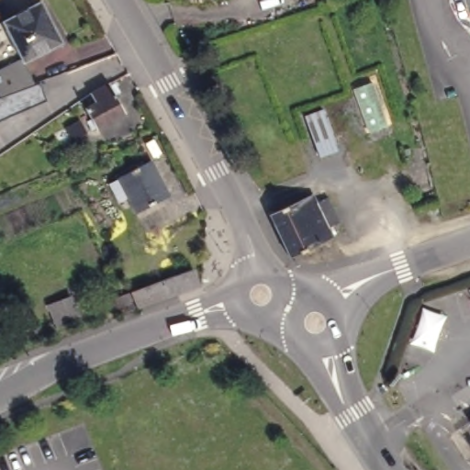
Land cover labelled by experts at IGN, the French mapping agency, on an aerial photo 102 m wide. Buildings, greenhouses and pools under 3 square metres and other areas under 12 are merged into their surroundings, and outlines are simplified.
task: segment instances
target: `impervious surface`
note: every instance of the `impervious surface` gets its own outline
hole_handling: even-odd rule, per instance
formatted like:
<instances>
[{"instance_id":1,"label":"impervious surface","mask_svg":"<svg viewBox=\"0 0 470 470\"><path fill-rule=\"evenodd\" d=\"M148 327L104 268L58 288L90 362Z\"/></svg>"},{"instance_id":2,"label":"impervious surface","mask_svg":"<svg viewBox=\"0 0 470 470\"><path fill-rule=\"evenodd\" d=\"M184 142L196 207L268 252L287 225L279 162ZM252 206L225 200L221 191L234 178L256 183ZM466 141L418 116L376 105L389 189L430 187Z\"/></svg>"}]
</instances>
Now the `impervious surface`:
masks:
<instances>
[{"instance_id":1,"label":"impervious surface","mask_svg":"<svg viewBox=\"0 0 470 470\"><path fill-rule=\"evenodd\" d=\"M433 95L437 101L459 101L464 127L470 141L470 0L409 0L419 33L420 46L428 64Z\"/></svg>"},{"instance_id":2,"label":"impervious surface","mask_svg":"<svg viewBox=\"0 0 470 470\"><path fill-rule=\"evenodd\" d=\"M409 433L415 430L430 439L442 461L448 466L448 470L470 470L470 290L461 290L450 296L424 303L424 310L444 316L439 340L433 351L415 347L411 343L406 349L402 364L397 367L398 375L395 376L395 380L391 384L386 384L382 373L376 376L373 389L365 389L356 360L356 340L367 312L375 307L376 301L380 301L387 292L391 292L398 285L402 286L402 292L406 297L415 294L422 286L433 285L455 275L470 272L470 196L448 202L441 209L431 211L428 224L419 222L413 209L420 209L437 200L437 193L428 158L428 138L419 121L409 119L411 132L417 141L417 149L408 147L406 151L408 169L400 173L395 165L391 165L387 173L378 180L364 180L356 174L354 163L351 162L351 151L347 149L352 140L356 140L365 132L367 123L364 112L358 103L358 95L354 94L347 101L343 101L345 114L349 116L351 123L341 134L334 134L338 152L329 156L319 156L316 147L318 136L312 125L307 127L307 173L303 176L294 176L285 185L266 185L264 191L253 182L250 174L237 173L229 169L222 152L217 151L217 138L207 123L206 114L200 110L195 99L185 86L185 75L184 62L180 53L176 53L169 46L163 31L173 24L180 31L185 26L200 26L229 18L235 18L242 26L255 24L257 20L264 18L272 22L316 9L327 0L224 0L215 9L191 9L171 4L149 4L145 0L88 0L94 9L95 17L105 31L103 39L83 48L73 48L68 42L64 50L53 51L31 64L31 70L37 73L33 75L33 83L39 86L42 97L48 99L48 103L0 125L0 156L17 147L18 143L28 140L33 132L55 121L62 112L68 112L70 108L81 103L75 94L95 75L105 75L106 83L112 86L112 83L117 83L121 77L129 75L129 79L134 79L138 84L138 90L143 94L147 105L151 106L152 114L162 127L163 134L171 141L174 152L178 154L185 173L195 187L193 195L185 195L165 162L162 149L156 141L147 143L149 152L151 162L160 174L163 185L167 187L169 198L162 202L152 202L147 209L136 213L141 226L147 231L147 239L151 241L145 246L145 252L151 255L169 252L169 228L174 222L180 222L185 217L193 218L196 209L206 209L206 220L206 248L209 257L204 261L202 277L202 285L196 290L185 292L180 299L176 296L165 297L162 301L147 303L141 308L140 316L136 318L117 321L112 314L106 316L105 323L97 329L88 327L79 330L79 323L75 318L62 318L61 327L55 329L55 345L46 347L31 341L17 360L9 360L0 367L0 426L17 426L20 426L20 422L31 413L46 408L59 411L64 408L64 402L68 402L70 395L59 387L62 382L79 378L86 373L88 367L94 369L99 365L114 362L121 356L127 356L130 352L145 351L143 364L152 375L162 373L163 367L171 362L171 354L167 349L182 340L180 334L196 332L198 338L215 338L224 341L229 351L235 352L253 367L263 376L264 384L270 389L286 408L292 409L297 419L307 426L312 437L323 448L323 452L338 466L338 470L408 470L406 463L413 455L406 448L406 442ZM424 195L409 206L400 193L417 184ZM268 224L266 213L292 206L297 200L308 196L310 191L318 195L329 195L340 217L338 224L334 226L338 229L338 235L330 235L329 241L308 246L307 250L303 250L299 255L290 255L279 246L274 231ZM244 343L242 336L246 332L259 340L268 341L270 345L285 352L286 356L301 369L301 373L307 376L308 384L314 387L319 400L325 404L325 415L319 415L305 400L294 395L294 391L264 364L250 349L250 345Z\"/></svg>"},{"instance_id":3,"label":"impervious surface","mask_svg":"<svg viewBox=\"0 0 470 470\"><path fill-rule=\"evenodd\" d=\"M55 17L46 0L39 0L46 17L50 18L51 26L57 31L55 42L66 42L68 31L62 29L59 18Z\"/></svg>"},{"instance_id":4,"label":"impervious surface","mask_svg":"<svg viewBox=\"0 0 470 470\"><path fill-rule=\"evenodd\" d=\"M9 455L0 457L0 470L103 470L90 441L88 428L81 424L55 435L48 435L39 442L31 442L17 448Z\"/></svg>"},{"instance_id":5,"label":"impervious surface","mask_svg":"<svg viewBox=\"0 0 470 470\"><path fill-rule=\"evenodd\" d=\"M2 22L11 15L22 13L37 0L0 0L0 70L20 61L13 53L15 42L2 28Z\"/></svg>"},{"instance_id":6,"label":"impervious surface","mask_svg":"<svg viewBox=\"0 0 470 470\"><path fill-rule=\"evenodd\" d=\"M84 106L83 114L79 117L88 136L97 140L101 136L101 130L94 121L94 110Z\"/></svg>"}]
</instances>

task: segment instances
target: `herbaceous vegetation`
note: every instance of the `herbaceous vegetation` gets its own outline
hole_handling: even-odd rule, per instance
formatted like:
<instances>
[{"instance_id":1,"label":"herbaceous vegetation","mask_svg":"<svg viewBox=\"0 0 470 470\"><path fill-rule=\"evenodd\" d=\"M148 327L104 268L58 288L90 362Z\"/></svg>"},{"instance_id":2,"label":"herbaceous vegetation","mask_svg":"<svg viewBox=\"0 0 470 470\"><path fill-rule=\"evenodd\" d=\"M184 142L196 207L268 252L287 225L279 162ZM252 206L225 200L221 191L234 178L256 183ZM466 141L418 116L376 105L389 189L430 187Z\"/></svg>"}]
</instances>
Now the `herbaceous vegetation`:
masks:
<instances>
[{"instance_id":1,"label":"herbaceous vegetation","mask_svg":"<svg viewBox=\"0 0 470 470\"><path fill-rule=\"evenodd\" d=\"M391 292L387 292L380 301L376 301L375 307L367 312L356 340L356 360L365 389L373 389L376 376L382 373L384 360L389 351L389 341L393 338L393 330L397 327L398 316L406 297L402 292L402 286L398 285Z\"/></svg>"},{"instance_id":2,"label":"herbaceous vegetation","mask_svg":"<svg viewBox=\"0 0 470 470\"><path fill-rule=\"evenodd\" d=\"M95 17L94 9L88 0L46 0L55 17L59 18L62 29L68 31L66 42L68 42L73 48L83 48L103 39L105 31Z\"/></svg>"},{"instance_id":3,"label":"herbaceous vegetation","mask_svg":"<svg viewBox=\"0 0 470 470\"><path fill-rule=\"evenodd\" d=\"M413 455L406 463L408 470L448 470L448 466L442 461L430 439L415 430L409 433L406 442L406 448Z\"/></svg>"},{"instance_id":4,"label":"herbaceous vegetation","mask_svg":"<svg viewBox=\"0 0 470 470\"><path fill-rule=\"evenodd\" d=\"M174 365L174 375L169 378L169 386L160 386L160 382L152 375L143 364L145 351L130 352L127 356L121 356L114 362L99 365L94 369L99 375L105 376L106 384L110 386L106 397L112 400L116 408L114 413L95 417L95 413L90 409L68 402L64 402L64 408L59 411L46 408L31 413L20 422L20 426L17 426L17 448L31 442L39 442L48 435L55 435L81 424L88 428L90 441L103 470L338 470L338 466L323 452L323 448L312 437L307 426L297 419L292 409L286 408L270 389L263 397L248 398L233 389L233 382L239 378L242 371L250 371L253 367L235 352L229 351L224 341L215 338L213 345L207 345L206 351L202 351L202 358L191 364L185 360L185 352L198 338L196 332L180 334L182 340L167 349L171 354L171 362Z\"/></svg>"},{"instance_id":5,"label":"herbaceous vegetation","mask_svg":"<svg viewBox=\"0 0 470 470\"><path fill-rule=\"evenodd\" d=\"M145 0L149 4L171 4L191 9L215 9L224 0Z\"/></svg>"},{"instance_id":6,"label":"herbaceous vegetation","mask_svg":"<svg viewBox=\"0 0 470 470\"><path fill-rule=\"evenodd\" d=\"M301 373L301 369L286 356L285 352L270 345L268 341L259 340L246 332L242 336L244 343L250 345L250 349L264 364L294 391L294 395L305 400L319 415L325 415L325 404L319 400L314 387L308 384L307 376Z\"/></svg>"},{"instance_id":7,"label":"herbaceous vegetation","mask_svg":"<svg viewBox=\"0 0 470 470\"><path fill-rule=\"evenodd\" d=\"M250 174L253 182L264 191L266 185L285 185L294 176L303 176L307 173L307 127L307 116L303 116L299 110L290 110L290 103L294 101L323 94L334 88L343 88L343 94L325 99L321 103L321 110L327 112L334 134L341 134L351 123L349 116L345 114L343 101L347 101L354 94L356 88L369 83L373 73L380 81L391 114L389 129L369 134L365 132L356 140L352 140L347 149L351 151L351 162L354 163L356 174L364 180L378 180L387 173L391 165L395 165L400 173L408 169L406 151L408 147L417 149L417 141L411 132L409 119L419 121L428 138L428 158L437 193L448 202L470 196L470 141L464 127L459 101L437 101L433 95L428 64L420 46L419 33L409 0L393 0L391 4L380 7L371 4L362 7L358 13L354 13L354 17L347 18L345 0L327 0L316 9L272 22L217 40L215 46L218 55L224 59L226 59L226 57L233 57L233 55L239 55L239 53L242 53L242 51L255 51L255 57L250 57L250 59L246 59L246 61L233 62L233 64L229 64L229 66L224 66L224 68L222 68L217 73L207 70L204 73L191 72L185 75L185 86L195 99L200 94L206 94L207 90L213 90L218 81L228 84L233 90L233 114L211 119L207 123L217 138L237 134L241 129L248 130L248 138L255 143L263 162L253 167Z\"/></svg>"},{"instance_id":8,"label":"herbaceous vegetation","mask_svg":"<svg viewBox=\"0 0 470 470\"><path fill-rule=\"evenodd\" d=\"M169 46L176 53L180 53L184 62L204 55L213 46L200 26L185 26L180 31L173 24L163 31Z\"/></svg>"},{"instance_id":9,"label":"herbaceous vegetation","mask_svg":"<svg viewBox=\"0 0 470 470\"><path fill-rule=\"evenodd\" d=\"M193 218L185 217L180 222L174 222L169 228L169 252L151 255L145 252L145 246L151 241L147 239L147 231L141 226L136 213L130 209L125 211L125 233L112 241L112 231L116 228L116 222L110 215L97 215L94 204L116 198L112 191L112 182L151 162L149 152L145 152L143 156L125 158L119 167L106 173L101 180L86 180L75 191L72 191L72 187L66 187L61 191L55 191L59 209L53 211L44 196L35 202L24 204L20 196L11 198L7 193L9 184L22 182L40 171L51 171L51 163L46 158L46 152L42 151L42 145L51 143L55 138L57 130L64 130L66 119L79 117L83 114L84 106L81 103L70 108L68 112L62 112L55 121L33 132L28 140L18 143L17 147L0 156L0 307L18 307L28 299L31 299L35 307L42 301L51 305L66 297L73 297L73 301L77 301L83 296L84 283L103 281L106 266L116 263L119 255L123 259L123 270L116 270L117 281L121 281L123 277L132 277L132 285L121 288L119 296L127 296L140 288L162 283L165 279L185 272L196 272L198 277L202 277L204 261L209 257L206 248L202 252L193 253L189 250L189 241L195 237L198 222L206 220L206 209L196 209Z\"/></svg>"}]
</instances>

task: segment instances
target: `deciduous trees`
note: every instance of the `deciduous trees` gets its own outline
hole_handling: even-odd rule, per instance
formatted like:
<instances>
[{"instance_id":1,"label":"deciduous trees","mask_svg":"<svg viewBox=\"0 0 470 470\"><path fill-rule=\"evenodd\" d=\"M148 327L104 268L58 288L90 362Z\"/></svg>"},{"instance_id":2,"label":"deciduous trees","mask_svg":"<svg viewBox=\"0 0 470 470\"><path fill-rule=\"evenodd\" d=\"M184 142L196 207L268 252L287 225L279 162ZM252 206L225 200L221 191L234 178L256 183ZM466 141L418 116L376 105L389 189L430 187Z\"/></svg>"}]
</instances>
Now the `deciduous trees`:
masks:
<instances>
[{"instance_id":1,"label":"deciduous trees","mask_svg":"<svg viewBox=\"0 0 470 470\"><path fill-rule=\"evenodd\" d=\"M112 314L112 307L119 296L121 288L132 285L132 277L123 277L121 281L117 281L116 270L123 270L123 259L119 255L116 263L106 266L103 281L84 283L83 296L77 301L77 310L83 312L83 316L75 318L79 323L79 330L88 327L97 329L105 323L106 316Z\"/></svg>"},{"instance_id":2,"label":"deciduous trees","mask_svg":"<svg viewBox=\"0 0 470 470\"><path fill-rule=\"evenodd\" d=\"M95 413L95 417L114 413L116 408L112 400L106 397L110 386L106 384L105 376L99 375L94 369L88 367L86 373L79 378L62 382L59 387L70 395L68 402L90 409Z\"/></svg>"},{"instance_id":3,"label":"deciduous trees","mask_svg":"<svg viewBox=\"0 0 470 470\"><path fill-rule=\"evenodd\" d=\"M204 55L184 62L185 75L191 72L204 73L207 70L217 73L222 68L222 66L220 66L220 61L224 59L218 55L215 46L213 46Z\"/></svg>"},{"instance_id":4,"label":"deciduous trees","mask_svg":"<svg viewBox=\"0 0 470 470\"><path fill-rule=\"evenodd\" d=\"M264 384L263 376L253 367L250 371L242 371L239 378L233 382L233 389L248 398L263 397L270 389Z\"/></svg>"},{"instance_id":5,"label":"deciduous trees","mask_svg":"<svg viewBox=\"0 0 470 470\"><path fill-rule=\"evenodd\" d=\"M17 360L31 341L22 338L22 332L29 321L35 321L37 318L35 307L31 299L28 299L18 307L0 307L0 367L9 360Z\"/></svg>"},{"instance_id":6,"label":"deciduous trees","mask_svg":"<svg viewBox=\"0 0 470 470\"><path fill-rule=\"evenodd\" d=\"M174 375L174 365L171 362L163 367L162 373L152 375L160 382L160 386L169 386L169 378Z\"/></svg>"},{"instance_id":7,"label":"deciduous trees","mask_svg":"<svg viewBox=\"0 0 470 470\"><path fill-rule=\"evenodd\" d=\"M237 134L217 138L217 151L222 152L229 169L237 173L250 174L253 167L263 162L255 143L248 138L248 130L241 129Z\"/></svg>"},{"instance_id":8,"label":"deciduous trees","mask_svg":"<svg viewBox=\"0 0 470 470\"><path fill-rule=\"evenodd\" d=\"M218 81L213 90L207 90L206 94L200 94L195 99L200 110L206 114L207 123L211 119L233 114L233 90L228 84Z\"/></svg>"},{"instance_id":9,"label":"deciduous trees","mask_svg":"<svg viewBox=\"0 0 470 470\"><path fill-rule=\"evenodd\" d=\"M9 455L17 448L17 426L0 426L0 457Z\"/></svg>"}]
</instances>

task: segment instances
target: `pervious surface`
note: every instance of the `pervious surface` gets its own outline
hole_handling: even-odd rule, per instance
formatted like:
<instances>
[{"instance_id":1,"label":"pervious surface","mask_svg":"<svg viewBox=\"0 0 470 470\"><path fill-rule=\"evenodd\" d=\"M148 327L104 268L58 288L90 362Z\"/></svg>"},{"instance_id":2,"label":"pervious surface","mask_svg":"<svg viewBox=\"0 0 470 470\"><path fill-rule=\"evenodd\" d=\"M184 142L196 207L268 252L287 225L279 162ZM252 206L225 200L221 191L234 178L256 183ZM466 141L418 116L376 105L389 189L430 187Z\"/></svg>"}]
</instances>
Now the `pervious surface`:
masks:
<instances>
[{"instance_id":1,"label":"pervious surface","mask_svg":"<svg viewBox=\"0 0 470 470\"><path fill-rule=\"evenodd\" d=\"M97 215L110 215L116 222L116 228L112 231L112 241L125 233L125 211L130 209L129 198L125 202L117 202L116 198L94 204Z\"/></svg>"}]
</instances>

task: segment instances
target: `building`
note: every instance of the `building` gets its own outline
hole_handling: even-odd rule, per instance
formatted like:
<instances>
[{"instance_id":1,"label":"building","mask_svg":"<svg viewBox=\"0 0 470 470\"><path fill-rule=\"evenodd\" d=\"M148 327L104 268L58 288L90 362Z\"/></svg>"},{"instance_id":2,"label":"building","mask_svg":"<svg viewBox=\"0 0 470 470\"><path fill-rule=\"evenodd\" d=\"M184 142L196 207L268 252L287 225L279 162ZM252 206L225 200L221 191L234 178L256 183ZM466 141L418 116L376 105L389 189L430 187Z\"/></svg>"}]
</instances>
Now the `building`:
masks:
<instances>
[{"instance_id":1,"label":"building","mask_svg":"<svg viewBox=\"0 0 470 470\"><path fill-rule=\"evenodd\" d=\"M303 250L307 250L308 246L329 241L330 235L338 235L338 229L334 226L338 224L340 217L329 195L318 195L310 191L308 196L297 200L292 206L266 213L268 224L274 231L279 246L290 255L299 255Z\"/></svg>"},{"instance_id":2,"label":"building","mask_svg":"<svg viewBox=\"0 0 470 470\"><path fill-rule=\"evenodd\" d=\"M83 316L83 312L77 310L77 301L73 301L73 297L66 297L51 305L42 301L35 307L37 318L50 318L55 329L61 327L62 318L75 318Z\"/></svg>"},{"instance_id":3,"label":"building","mask_svg":"<svg viewBox=\"0 0 470 470\"><path fill-rule=\"evenodd\" d=\"M33 75L37 73L31 70L31 64L53 51L64 50L68 42L66 42L55 42L57 31L51 26L50 18L46 17L39 0L37 0L22 13L11 15L2 22L2 28L15 42L13 53L20 61L0 70L0 125L48 103L48 99L42 97L39 86L33 83Z\"/></svg>"},{"instance_id":4,"label":"building","mask_svg":"<svg viewBox=\"0 0 470 470\"><path fill-rule=\"evenodd\" d=\"M66 119L64 130L57 130L55 138L61 140L59 145L64 152L84 145L88 141L88 136L79 117Z\"/></svg>"},{"instance_id":5,"label":"building","mask_svg":"<svg viewBox=\"0 0 470 470\"><path fill-rule=\"evenodd\" d=\"M307 127L312 125L318 136L316 147L319 156L329 156L338 152L334 134L327 112L321 110L307 116Z\"/></svg>"},{"instance_id":6,"label":"building","mask_svg":"<svg viewBox=\"0 0 470 470\"><path fill-rule=\"evenodd\" d=\"M389 129L391 114L380 81L373 73L369 83L356 88L354 94L358 95L358 103L364 112L367 123L365 132L369 134Z\"/></svg>"},{"instance_id":7,"label":"building","mask_svg":"<svg viewBox=\"0 0 470 470\"><path fill-rule=\"evenodd\" d=\"M444 316L424 310L419 329L411 343L415 347L433 351L439 340Z\"/></svg>"},{"instance_id":8,"label":"building","mask_svg":"<svg viewBox=\"0 0 470 470\"><path fill-rule=\"evenodd\" d=\"M180 299L185 292L196 290L202 285L202 277L198 277L196 272L185 272L165 279L162 283L140 288L127 296L119 296L112 307L112 314L117 321L136 318L140 316L141 308L147 303L162 301L165 297L176 296Z\"/></svg>"},{"instance_id":9,"label":"building","mask_svg":"<svg viewBox=\"0 0 470 470\"><path fill-rule=\"evenodd\" d=\"M147 209L152 202L162 202L169 198L167 187L163 185L160 174L151 162L112 182L112 191L116 198L117 202L125 202L129 198L130 209L136 213Z\"/></svg>"},{"instance_id":10,"label":"building","mask_svg":"<svg viewBox=\"0 0 470 470\"><path fill-rule=\"evenodd\" d=\"M101 136L97 140L132 140L132 132L129 132L127 123L136 125L145 121L138 110L132 108L132 90L138 90L138 84L134 79L129 79L129 75L121 77L117 83L112 83L112 86L106 83L105 75L95 75L75 94L81 103L84 106L94 110L94 121L101 130Z\"/></svg>"}]
</instances>

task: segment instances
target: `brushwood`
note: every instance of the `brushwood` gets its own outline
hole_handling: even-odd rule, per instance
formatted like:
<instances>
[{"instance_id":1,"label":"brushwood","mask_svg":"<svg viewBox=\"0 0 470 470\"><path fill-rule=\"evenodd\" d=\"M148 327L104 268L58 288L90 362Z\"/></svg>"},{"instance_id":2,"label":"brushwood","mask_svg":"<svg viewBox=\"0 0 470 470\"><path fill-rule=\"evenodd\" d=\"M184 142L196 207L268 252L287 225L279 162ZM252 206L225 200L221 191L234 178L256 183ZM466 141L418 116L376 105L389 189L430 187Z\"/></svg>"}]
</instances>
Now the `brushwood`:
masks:
<instances>
[{"instance_id":1,"label":"brushwood","mask_svg":"<svg viewBox=\"0 0 470 470\"><path fill-rule=\"evenodd\" d=\"M303 116L307 116L321 110L321 103L325 99L343 94L343 88L334 88L323 94L294 101L290 103L290 110L299 110Z\"/></svg>"},{"instance_id":2,"label":"brushwood","mask_svg":"<svg viewBox=\"0 0 470 470\"><path fill-rule=\"evenodd\" d=\"M233 64L233 62L246 61L246 59L250 59L250 57L255 57L255 51L242 51L242 53L239 53L239 55L233 55L233 57L226 57L226 59L224 59L220 61L220 66L222 66L222 68L224 68L224 66L229 66L229 64Z\"/></svg>"},{"instance_id":3,"label":"brushwood","mask_svg":"<svg viewBox=\"0 0 470 470\"><path fill-rule=\"evenodd\" d=\"M217 40L272 22L264 18L257 20L255 24L242 26L235 18L229 18L200 26L213 46L215 46Z\"/></svg>"},{"instance_id":4,"label":"brushwood","mask_svg":"<svg viewBox=\"0 0 470 470\"><path fill-rule=\"evenodd\" d=\"M409 206L424 195L417 184L400 193Z\"/></svg>"},{"instance_id":5,"label":"brushwood","mask_svg":"<svg viewBox=\"0 0 470 470\"><path fill-rule=\"evenodd\" d=\"M29 321L22 332L22 338L31 341L46 347L55 345L55 329L50 318L37 318L35 321Z\"/></svg>"},{"instance_id":6,"label":"brushwood","mask_svg":"<svg viewBox=\"0 0 470 470\"><path fill-rule=\"evenodd\" d=\"M389 351L384 360L382 373L386 384L391 384L395 380L395 376L398 375L397 367L402 364L406 349L411 343L419 329L424 310L424 303L450 296L461 290L470 290L470 272L455 275L433 285L422 286L415 294L406 297L398 316L397 327L393 330L393 338L389 341Z\"/></svg>"},{"instance_id":7,"label":"brushwood","mask_svg":"<svg viewBox=\"0 0 470 470\"><path fill-rule=\"evenodd\" d=\"M195 237L189 241L189 250L193 253L202 252L206 248L206 220L198 222Z\"/></svg>"},{"instance_id":8,"label":"brushwood","mask_svg":"<svg viewBox=\"0 0 470 470\"><path fill-rule=\"evenodd\" d=\"M202 351L206 351L207 345L213 345L215 338L198 338L185 352L185 360L191 364L202 358Z\"/></svg>"},{"instance_id":9,"label":"brushwood","mask_svg":"<svg viewBox=\"0 0 470 470\"><path fill-rule=\"evenodd\" d=\"M371 4L380 7L391 4L393 0L345 0L347 18L354 17L354 13L358 13L362 7Z\"/></svg>"},{"instance_id":10,"label":"brushwood","mask_svg":"<svg viewBox=\"0 0 470 470\"><path fill-rule=\"evenodd\" d=\"M174 152L171 141L163 134L162 127L152 114L151 106L147 105L143 94L138 90L132 90L132 108L138 110L145 121L136 125L127 123L129 132L132 132L132 140L97 140L88 136L88 141L84 145L64 152L59 145L61 140L55 138L51 143L42 145L42 151L46 152L46 158L51 163L51 171L40 171L22 182L9 184L7 193L11 198L20 196L24 204L35 202L44 196L53 211L59 209L55 191L61 191L66 187L72 187L72 191L75 191L86 180L101 180L106 173L119 167L125 158L143 156L145 152L149 152L147 143L156 141L162 149L165 162L185 195L193 195L195 187L185 173L178 154Z\"/></svg>"},{"instance_id":11,"label":"brushwood","mask_svg":"<svg viewBox=\"0 0 470 470\"><path fill-rule=\"evenodd\" d=\"M441 209L448 202L437 193L437 200L420 209L413 209L419 222L428 224L431 211Z\"/></svg>"}]
</instances>

